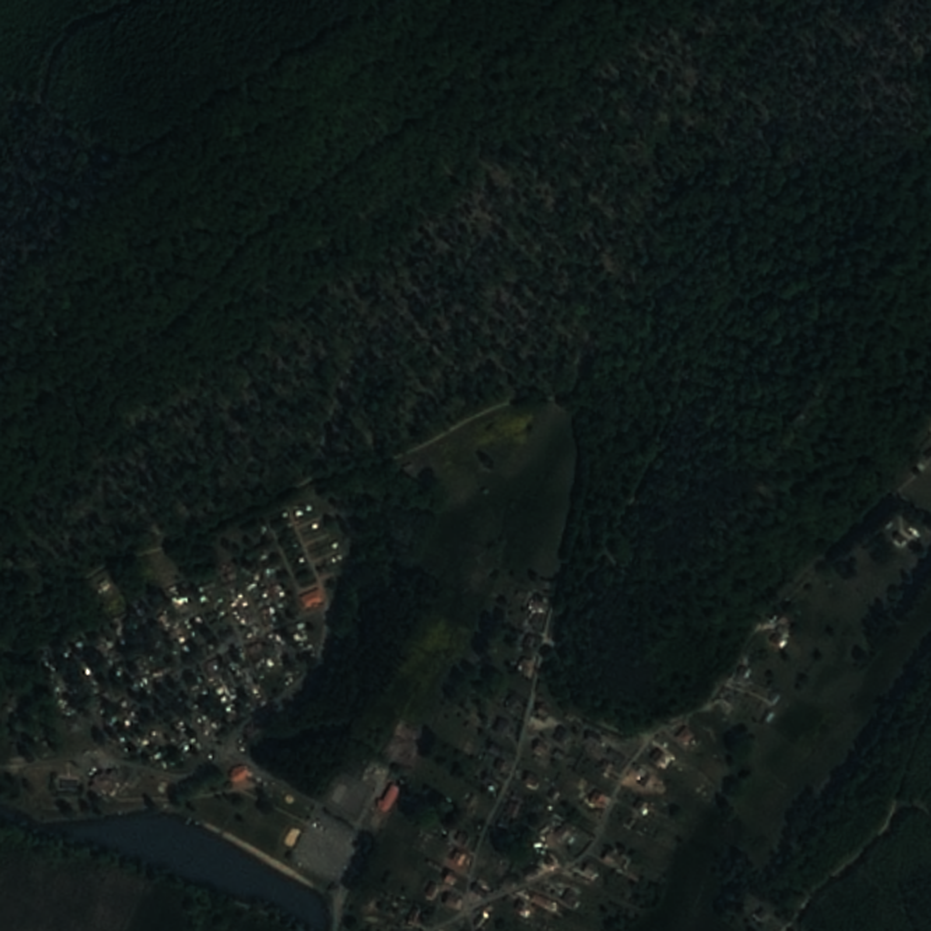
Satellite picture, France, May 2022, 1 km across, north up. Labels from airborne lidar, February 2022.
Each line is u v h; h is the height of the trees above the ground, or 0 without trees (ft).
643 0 106
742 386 108
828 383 91
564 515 0
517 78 110
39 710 76
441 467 0
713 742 0
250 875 0
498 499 0
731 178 53
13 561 90
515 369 91
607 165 85
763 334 100
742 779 31
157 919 0
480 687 54
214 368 98
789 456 86
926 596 0
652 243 91
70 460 81
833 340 58
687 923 0
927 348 111
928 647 62
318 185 95
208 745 0
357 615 30
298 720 75
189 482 106
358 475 70
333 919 0
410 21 94
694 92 85
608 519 41
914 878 34
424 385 81
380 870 0
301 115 85
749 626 24
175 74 75
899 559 0
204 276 100
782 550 92
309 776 56
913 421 118
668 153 96
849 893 30
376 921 0
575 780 0
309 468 98
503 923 29
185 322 108
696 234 67
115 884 0
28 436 100
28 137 97
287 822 0
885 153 74
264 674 0
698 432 28
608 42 97
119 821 0
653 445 89
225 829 0
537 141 94
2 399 106
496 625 77
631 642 41
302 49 69
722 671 38
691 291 94
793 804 0
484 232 0
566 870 0
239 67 56
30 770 0
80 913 0
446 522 0
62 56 23
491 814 0
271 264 109
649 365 24
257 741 0
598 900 0
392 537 75
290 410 93
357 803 0
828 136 97
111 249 103
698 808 0
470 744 0
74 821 0
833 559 81
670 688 42
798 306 109
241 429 97
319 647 0
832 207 91
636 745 0
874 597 0
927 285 101
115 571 66
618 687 43
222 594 0
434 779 0
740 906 42
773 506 95
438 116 102
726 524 69
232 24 68
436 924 0
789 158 91
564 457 0
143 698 50
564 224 88
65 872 0
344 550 0
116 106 56
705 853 0
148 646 71
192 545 49
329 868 0
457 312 97
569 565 36
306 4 73
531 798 0
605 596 33
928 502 0
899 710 83
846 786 81
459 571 0
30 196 21
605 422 82
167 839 0
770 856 0
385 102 88
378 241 96
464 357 83
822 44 83
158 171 95
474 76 102
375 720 0
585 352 0
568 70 94
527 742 0
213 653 0
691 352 89
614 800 0
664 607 28
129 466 107
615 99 87
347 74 89
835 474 100
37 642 77
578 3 98
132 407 94
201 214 100
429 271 108
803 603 0
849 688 0
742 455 70
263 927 0
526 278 97
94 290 96
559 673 86
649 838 0
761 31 103
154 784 0
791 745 0
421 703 0
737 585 114
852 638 0
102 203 79
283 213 99
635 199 90
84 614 55
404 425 0
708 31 111
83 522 0
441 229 105
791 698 0
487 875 0
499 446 0
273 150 100
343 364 89
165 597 70
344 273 89
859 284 53
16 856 0
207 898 73
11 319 92
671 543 46
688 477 35
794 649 0
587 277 107
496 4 109
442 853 0
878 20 89
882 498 0
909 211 98
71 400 105
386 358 93
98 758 0
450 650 0
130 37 77
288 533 24
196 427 96
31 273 73
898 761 49
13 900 0
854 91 106
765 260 104
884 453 110
